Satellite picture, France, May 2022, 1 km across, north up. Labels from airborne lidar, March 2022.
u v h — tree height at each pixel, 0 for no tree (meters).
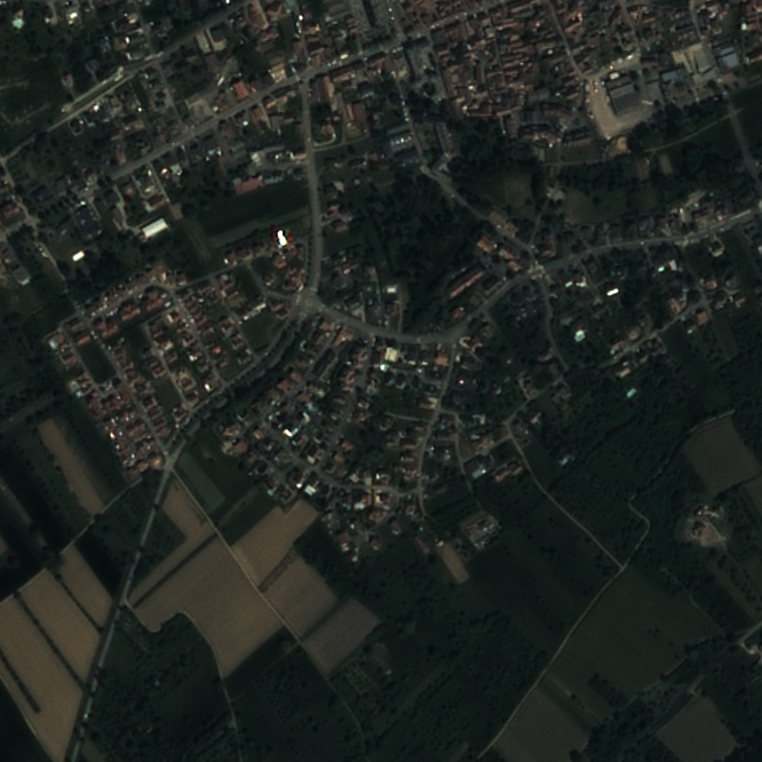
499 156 19
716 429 0
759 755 18
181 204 0
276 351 0
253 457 0
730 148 0
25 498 0
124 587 0
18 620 0
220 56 9
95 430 0
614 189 12
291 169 0
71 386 0
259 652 0
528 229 9
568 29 0
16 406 9
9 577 0
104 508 0
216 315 0
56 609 0
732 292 0
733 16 0
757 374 6
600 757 7
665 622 0
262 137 0
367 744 8
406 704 0
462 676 0
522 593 0
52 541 0
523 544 0
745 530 8
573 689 0
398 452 0
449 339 0
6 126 0
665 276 0
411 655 0
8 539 0
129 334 0
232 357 0
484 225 8
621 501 6
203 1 0
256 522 0
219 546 0
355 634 0
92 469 0
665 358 9
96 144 9
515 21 0
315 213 0
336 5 0
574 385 13
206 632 0
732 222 0
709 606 6
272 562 0
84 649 0
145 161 0
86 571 0
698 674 6
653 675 0
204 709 0
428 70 0
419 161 0
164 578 0
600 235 0
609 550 0
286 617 0
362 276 0
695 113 15
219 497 0
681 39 0
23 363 0
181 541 0
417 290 6
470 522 0
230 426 0
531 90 0
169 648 7
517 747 0
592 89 0
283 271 0
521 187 0
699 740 0
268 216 0
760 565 0
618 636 0
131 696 7
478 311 0
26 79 0
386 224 14
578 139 0
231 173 8
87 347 0
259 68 0
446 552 0
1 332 0
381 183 0
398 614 0
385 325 0
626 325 0
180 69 9
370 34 0
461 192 9
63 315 0
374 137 12
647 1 0
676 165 0
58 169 0
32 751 0
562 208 9
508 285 0
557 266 0
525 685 6
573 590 0
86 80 11
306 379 0
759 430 7
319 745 0
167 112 0
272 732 0
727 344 0
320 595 0
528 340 6
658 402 5
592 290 0
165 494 0
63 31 0
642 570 5
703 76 0
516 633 7
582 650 0
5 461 0
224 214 0
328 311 0
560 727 0
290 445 0
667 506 6
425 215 0
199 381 0
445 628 0
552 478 0
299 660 0
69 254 0
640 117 0
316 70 0
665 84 0
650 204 0
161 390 0
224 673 0
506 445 6
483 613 0
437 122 0
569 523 0
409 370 0
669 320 6
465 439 0
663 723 0
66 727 0
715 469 0
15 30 8
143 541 0
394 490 0
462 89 0
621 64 0
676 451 6
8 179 0
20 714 0
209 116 0
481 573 0
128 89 0
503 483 0
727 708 0
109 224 0
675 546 7
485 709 0
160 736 15
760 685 0
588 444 7
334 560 0
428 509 0
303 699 0
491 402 10
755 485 0
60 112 0
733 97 0
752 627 0
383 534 0
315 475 7
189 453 0
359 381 0
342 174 0
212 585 0
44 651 0
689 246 0
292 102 0
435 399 0
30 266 0
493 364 14
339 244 0
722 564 10
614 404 6
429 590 7
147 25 0
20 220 0
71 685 0
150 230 0
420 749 6
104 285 16
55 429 0
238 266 0
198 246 0
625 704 7
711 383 0
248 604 0
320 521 0
